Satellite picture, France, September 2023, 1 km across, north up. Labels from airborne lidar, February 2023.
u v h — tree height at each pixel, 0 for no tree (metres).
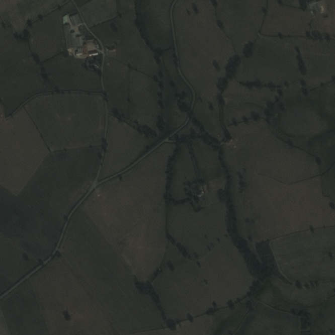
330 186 0
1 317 0
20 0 0
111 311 0
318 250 0
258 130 0
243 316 0
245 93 0
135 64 0
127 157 0
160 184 0
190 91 0
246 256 16
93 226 0
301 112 0
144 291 10
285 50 0
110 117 0
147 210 0
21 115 0
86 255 0
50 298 0
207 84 0
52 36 0
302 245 0
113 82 0
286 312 0
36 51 0
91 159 0
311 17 0
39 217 0
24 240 0
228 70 18
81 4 0
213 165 0
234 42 0
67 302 0
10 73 0
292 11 0
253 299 0
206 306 0
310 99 0
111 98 0
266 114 16
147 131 16
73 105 0
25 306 0
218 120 0
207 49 0
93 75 0
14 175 0
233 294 0
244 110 0
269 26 0
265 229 0
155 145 0
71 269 0
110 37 0
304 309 0
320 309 0
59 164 0
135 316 0
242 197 0
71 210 0
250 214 0
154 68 0
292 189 0
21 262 0
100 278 0
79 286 0
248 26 0
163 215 0
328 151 0
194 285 0
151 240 0
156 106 0
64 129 0
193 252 0
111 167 0
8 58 0
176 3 0
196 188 10
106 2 0
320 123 0
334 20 0
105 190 0
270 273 6
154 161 0
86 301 0
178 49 0
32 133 0
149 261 0
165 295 0
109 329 0
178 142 10
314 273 0
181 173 0
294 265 0
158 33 0
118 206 0
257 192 0
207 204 0
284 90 0
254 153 0
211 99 0
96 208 0
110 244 0
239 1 0
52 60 0
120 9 0
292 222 0
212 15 0
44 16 0
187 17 0
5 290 0
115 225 0
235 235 9
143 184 0
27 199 0
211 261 0
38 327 0
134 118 0
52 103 0
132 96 0
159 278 0
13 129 0
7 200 0
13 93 0
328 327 0
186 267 0
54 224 0
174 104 0
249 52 21
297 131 0
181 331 0
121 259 0
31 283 0
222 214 0
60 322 0
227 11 0
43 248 0
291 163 0
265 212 0
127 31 0
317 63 0
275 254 0
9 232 0
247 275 0
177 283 0
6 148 0
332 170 0
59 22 0
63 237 0
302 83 15
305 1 13
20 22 0
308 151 0
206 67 0
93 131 0
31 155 0
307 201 0
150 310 0
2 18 0
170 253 0
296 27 0
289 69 0
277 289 0
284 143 0
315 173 0
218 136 0
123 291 0
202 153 0
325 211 0
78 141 0
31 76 0
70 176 0
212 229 0
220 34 0
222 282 0
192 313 0
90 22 0
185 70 0
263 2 0
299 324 0
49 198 0
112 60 0
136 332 0
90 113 0
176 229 0
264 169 0
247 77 0
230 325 0
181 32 0
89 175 0
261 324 0
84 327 0
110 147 0
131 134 0
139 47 0
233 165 0
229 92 0
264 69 0
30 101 0
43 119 0
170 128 0
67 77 0
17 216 0
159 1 0
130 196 0
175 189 0
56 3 0
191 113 16
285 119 0
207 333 0
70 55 0
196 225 0
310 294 0
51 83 0
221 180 0
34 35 0
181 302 0
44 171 0
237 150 0
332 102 0
